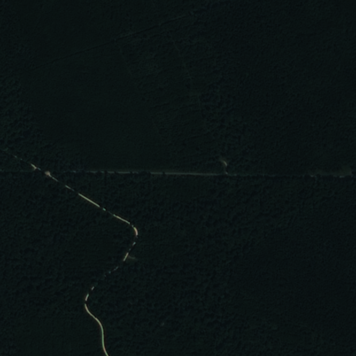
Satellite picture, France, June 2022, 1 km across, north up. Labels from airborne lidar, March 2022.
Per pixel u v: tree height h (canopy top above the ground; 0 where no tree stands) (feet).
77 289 76
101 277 80
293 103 68
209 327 84
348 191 73
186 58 27
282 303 56
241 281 65
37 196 66
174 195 23
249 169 76
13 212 66
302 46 65
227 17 63
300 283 59
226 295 95
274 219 69
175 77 20
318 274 65
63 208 42
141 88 27
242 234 81
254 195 78
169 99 22
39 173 68
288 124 66
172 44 29
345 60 61
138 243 52
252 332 18
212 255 37
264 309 31
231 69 75
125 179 54
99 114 29
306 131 73
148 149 31
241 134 79
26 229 74
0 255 72
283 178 72
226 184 73
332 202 69
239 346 58
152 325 76
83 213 20
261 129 70
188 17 84
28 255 67
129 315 71
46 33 21
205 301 72
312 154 62
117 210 58
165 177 63
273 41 66
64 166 81
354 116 50
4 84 78
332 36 62
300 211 69
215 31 67
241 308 22
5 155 62
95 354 23
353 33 60
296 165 57
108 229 27
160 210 61
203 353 24
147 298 75
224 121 72
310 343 44
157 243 23
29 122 73
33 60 56
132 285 70
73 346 18
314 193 66
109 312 19
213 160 68
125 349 54
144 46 22
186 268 80
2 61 59
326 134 70
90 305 78
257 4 67
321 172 0
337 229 69
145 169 31
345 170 0
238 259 87
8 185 75
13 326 67
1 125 72
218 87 70
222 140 53
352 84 72
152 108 22
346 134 73
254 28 73
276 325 0
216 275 94
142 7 20
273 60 72
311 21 61
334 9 59
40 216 54
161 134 24
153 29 25
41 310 52
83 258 20
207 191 23
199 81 31
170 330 53
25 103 43
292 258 61
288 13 70
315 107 69
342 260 62
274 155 66
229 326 66
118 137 23
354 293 62
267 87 74
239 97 75
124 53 29
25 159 64
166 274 69
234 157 46
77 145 46
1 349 81
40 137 74
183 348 32
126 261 0
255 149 60
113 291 80
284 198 53
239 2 60
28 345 19
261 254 64
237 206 75
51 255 72
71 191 62
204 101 85
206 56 31
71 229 68
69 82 0
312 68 59
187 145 71
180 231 49
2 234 70
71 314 22
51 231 76
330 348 37
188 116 23
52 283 80
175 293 48
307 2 68
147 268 56
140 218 79
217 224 86
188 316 84
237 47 73
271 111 73
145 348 44
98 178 44
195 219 71
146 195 62
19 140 67
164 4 25
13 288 79
